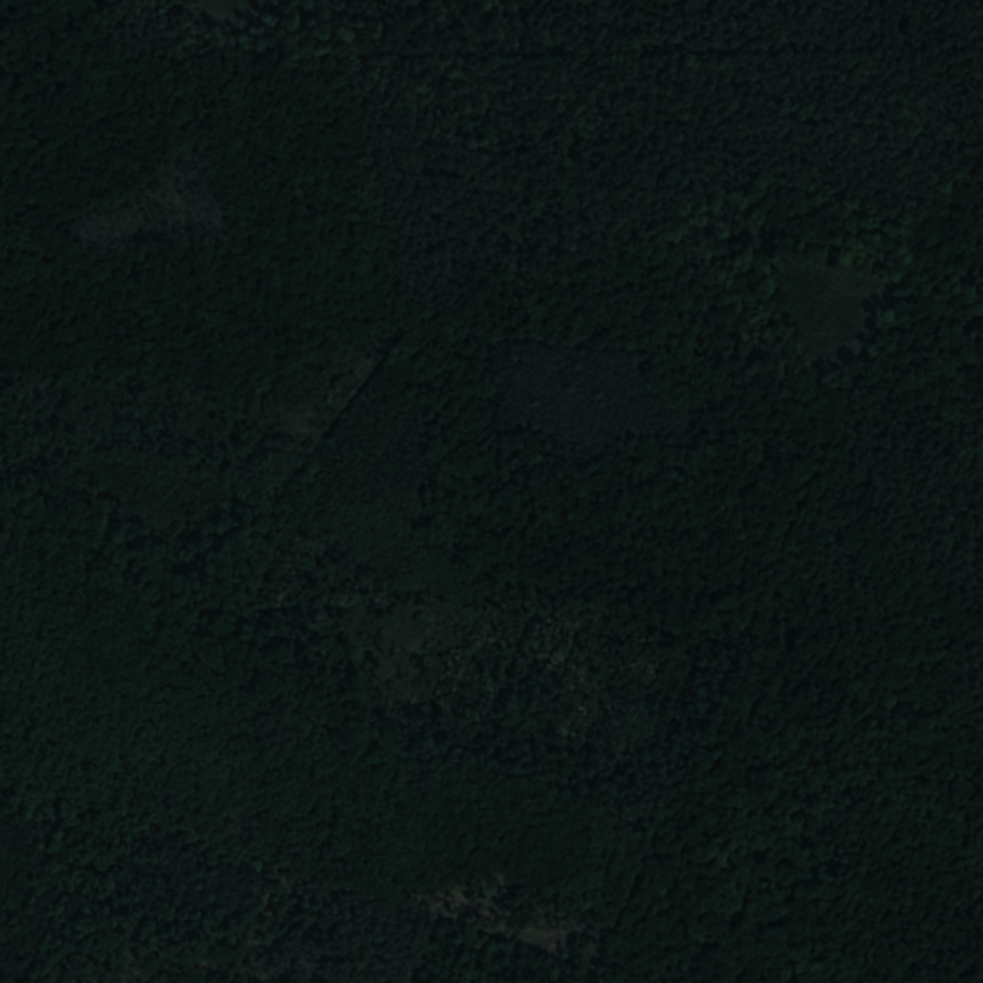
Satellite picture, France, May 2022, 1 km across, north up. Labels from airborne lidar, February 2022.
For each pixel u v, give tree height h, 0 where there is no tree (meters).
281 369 22
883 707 25
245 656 25
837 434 19
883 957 26
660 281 20
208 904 11
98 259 18
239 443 23
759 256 30
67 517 31
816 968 27
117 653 23
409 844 21
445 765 23
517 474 20
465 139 30
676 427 21
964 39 24
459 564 24
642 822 28
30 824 14
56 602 26
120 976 27
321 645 26
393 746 25
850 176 28
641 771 20
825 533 24
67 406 29
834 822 24
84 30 24
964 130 22
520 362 17
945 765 25
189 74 20
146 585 29
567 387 25
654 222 32
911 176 24
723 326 27
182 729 21
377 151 25
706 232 31
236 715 23
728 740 25
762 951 26
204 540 25
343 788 21
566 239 29
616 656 22
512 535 24
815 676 23
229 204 22
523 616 10
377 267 22
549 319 22
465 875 21
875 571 22
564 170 28
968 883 22
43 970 20
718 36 26
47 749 23
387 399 12
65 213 19
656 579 23
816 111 25
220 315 22
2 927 13
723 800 27
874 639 25
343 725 27
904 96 24
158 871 13
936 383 25
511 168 28
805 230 30
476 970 20
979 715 22
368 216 22
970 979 28
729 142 20
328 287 24
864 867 22
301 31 28
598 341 21
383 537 15
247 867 7
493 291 25
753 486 22
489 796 27
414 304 24
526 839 25
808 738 22
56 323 19
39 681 23
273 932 18
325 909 27
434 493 25
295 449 16
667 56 26
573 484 23
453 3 29
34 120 21
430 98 28
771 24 24
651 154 29
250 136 20
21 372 24
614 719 27
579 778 30
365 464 16
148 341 23
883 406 26
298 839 19
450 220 24
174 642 24
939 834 26
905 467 21
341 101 19
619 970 21
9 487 26
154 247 22
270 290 23
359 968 18
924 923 23
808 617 26
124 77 20
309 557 7
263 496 26
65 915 8
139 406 16
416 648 0
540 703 29
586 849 26
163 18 29
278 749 25
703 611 28
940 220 24
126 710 21
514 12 29
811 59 26
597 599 26
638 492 25
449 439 25
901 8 23
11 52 23
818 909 28
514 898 23
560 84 26
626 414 19
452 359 24
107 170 20
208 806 17
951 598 22
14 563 27
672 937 25
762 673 23
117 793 18
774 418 22
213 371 26
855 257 34
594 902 23
